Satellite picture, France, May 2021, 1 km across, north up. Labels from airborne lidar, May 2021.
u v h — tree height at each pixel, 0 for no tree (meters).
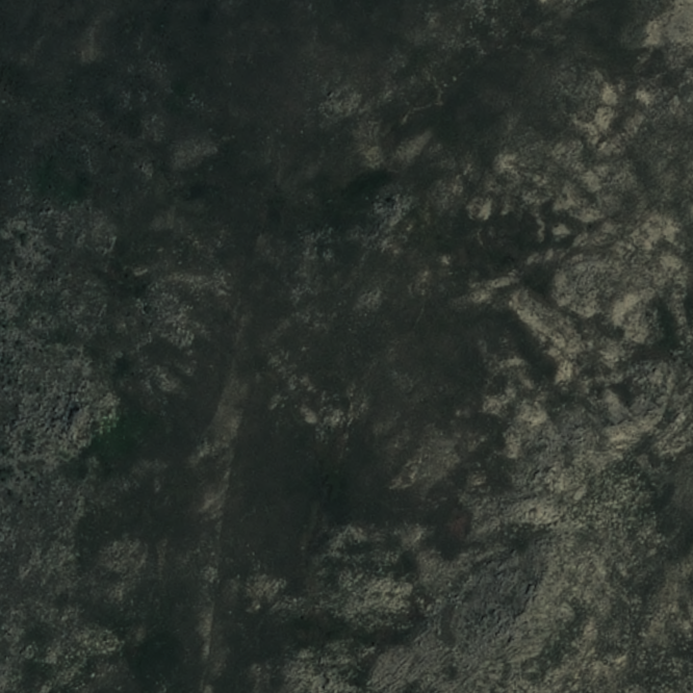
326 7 0
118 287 0
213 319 0
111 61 0
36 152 0
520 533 0
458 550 0
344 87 0
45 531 0
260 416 0
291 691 0
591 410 0
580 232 0
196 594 0
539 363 0
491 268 0
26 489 0
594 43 0
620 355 0
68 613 0
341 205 0
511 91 0
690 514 0
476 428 0
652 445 0
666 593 0
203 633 0
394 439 0
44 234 0
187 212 0
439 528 0
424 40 0
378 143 0
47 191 0
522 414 0
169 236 0
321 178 0
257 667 0
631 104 0
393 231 0
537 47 0
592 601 0
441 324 0
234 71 0
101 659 0
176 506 0
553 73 0
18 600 0
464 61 0
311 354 0
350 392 0
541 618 0
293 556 0
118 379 0
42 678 0
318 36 0
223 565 0
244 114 0
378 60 0
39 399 0
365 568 0
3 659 0
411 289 0
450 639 0
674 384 0
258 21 0
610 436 0
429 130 0
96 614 0
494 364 0
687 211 0
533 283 0
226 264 0
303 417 0
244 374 0
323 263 0
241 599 0
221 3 0
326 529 0
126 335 0
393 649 0
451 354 0
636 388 0
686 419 0
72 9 0
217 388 0
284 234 0
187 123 0
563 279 0
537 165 0
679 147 0
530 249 0
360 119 0
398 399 0
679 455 0
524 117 0
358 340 0
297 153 0
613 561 0
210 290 0
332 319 0
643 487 0
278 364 0
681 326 0
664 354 0
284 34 0
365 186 0
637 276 0
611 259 0
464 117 0
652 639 0
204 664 0
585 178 0
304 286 0
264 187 0
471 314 0
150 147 0
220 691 0
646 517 0
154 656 0
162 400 0
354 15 0
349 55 0
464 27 0
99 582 0
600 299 0
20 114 0
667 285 0
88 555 0
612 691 0
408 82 0
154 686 0
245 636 0
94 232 0
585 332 0
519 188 0
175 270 0
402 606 0
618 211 0
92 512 0
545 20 0
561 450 0
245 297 0
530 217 0
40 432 0
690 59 0
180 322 0
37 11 0
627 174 0
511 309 0
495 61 0
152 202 0
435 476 0
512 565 0
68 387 0
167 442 0
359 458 0
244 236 0
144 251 0
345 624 0
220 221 0
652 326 0
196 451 0
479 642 0
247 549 0
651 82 0
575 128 0
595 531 0
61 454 6
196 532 0
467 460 0
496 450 0
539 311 0
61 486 0
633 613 0
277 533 0
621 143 0
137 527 0
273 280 0
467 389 0
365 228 0
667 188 0
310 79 0
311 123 0
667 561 0
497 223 0
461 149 0
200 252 0
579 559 0
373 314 0
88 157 0
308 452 0
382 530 0
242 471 0
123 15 0
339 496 0
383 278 0
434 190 0
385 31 0
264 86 0
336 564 0
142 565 0
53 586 0
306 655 0
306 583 0
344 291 0
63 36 0
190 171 0
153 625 0
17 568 0
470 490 0
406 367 0
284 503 0
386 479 0
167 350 0
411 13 0
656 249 0
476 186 0
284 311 0
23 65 0
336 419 0
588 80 0
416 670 0
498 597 0
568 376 0
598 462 0
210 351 0
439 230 0
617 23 0
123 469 0
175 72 0
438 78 0
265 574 0
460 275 0
